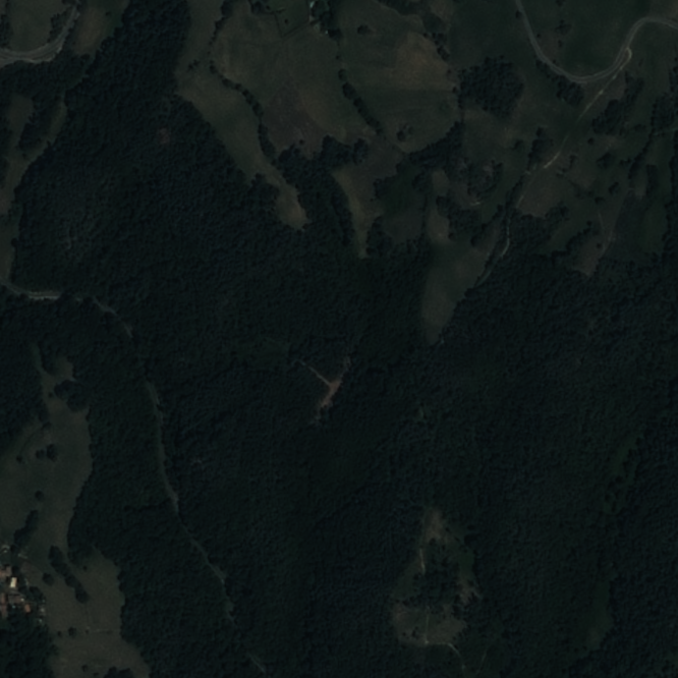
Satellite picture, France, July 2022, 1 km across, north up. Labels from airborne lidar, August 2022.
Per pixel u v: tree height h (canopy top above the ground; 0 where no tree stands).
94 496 21
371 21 0
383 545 19
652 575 22
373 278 8
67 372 0
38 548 0
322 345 21
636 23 0
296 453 24
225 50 0
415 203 0
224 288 13
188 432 6
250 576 27
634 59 0
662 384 21
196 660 24
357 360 20
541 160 10
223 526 18
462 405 18
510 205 10
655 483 13
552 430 17
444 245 0
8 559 0
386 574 15
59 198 16
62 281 16
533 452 13
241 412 14
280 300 15
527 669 19
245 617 17
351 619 20
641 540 17
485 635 25
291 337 14
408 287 10
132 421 16
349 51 0
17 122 0
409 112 0
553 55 0
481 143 0
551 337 15
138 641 12
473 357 15
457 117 0
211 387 17
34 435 0
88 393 12
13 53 0
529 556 12
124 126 19
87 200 14
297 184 10
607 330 7
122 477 16
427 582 14
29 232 25
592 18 0
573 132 0
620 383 22
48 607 0
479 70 11
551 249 0
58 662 0
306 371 25
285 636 17
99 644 0
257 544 16
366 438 10
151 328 14
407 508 20
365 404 16
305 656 15
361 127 0
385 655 13
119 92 16
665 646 13
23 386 14
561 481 19
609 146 0
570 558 22
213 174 13
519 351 16
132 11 20
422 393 17
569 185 0
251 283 12
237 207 11
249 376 13
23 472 0
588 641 0
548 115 0
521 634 17
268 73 0
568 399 13
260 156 0
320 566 24
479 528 26
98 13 0
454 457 21
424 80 0
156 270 16
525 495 17
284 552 14
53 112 11
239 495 16
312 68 0
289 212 0
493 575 16
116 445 15
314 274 14
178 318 23
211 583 15
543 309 18
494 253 7
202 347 15
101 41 0
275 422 18
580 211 0
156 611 13
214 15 0
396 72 0
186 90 0
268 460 15
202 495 17
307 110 0
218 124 0
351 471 10
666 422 14
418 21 0
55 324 19
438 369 13
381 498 20
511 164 0
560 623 20
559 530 22
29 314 19
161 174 26
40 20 0
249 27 0
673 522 12
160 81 14
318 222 14
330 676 18
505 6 0
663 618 15
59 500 0
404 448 20
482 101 12
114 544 21
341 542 19
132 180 14
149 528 17
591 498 18
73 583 18
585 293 8
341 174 0
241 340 17
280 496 18
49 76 8
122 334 24
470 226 8
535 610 16
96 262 25
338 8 13
